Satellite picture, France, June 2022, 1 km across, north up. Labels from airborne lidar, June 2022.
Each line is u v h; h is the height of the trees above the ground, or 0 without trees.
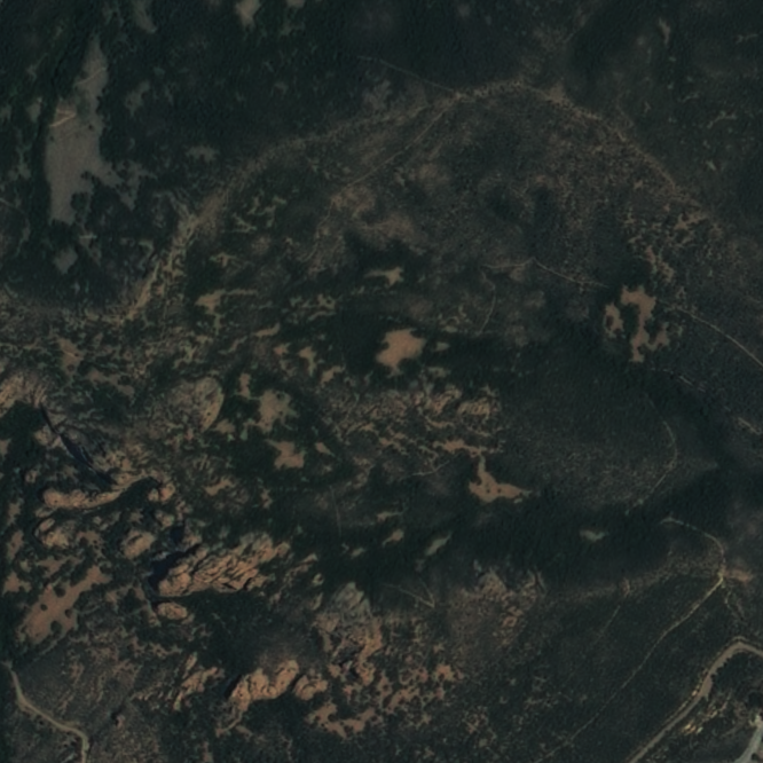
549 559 9
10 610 6
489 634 0
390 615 0
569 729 5
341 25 8
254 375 6
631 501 7
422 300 0
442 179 0
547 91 0
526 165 8
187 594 7
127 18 10
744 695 7
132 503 8
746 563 0
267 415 0
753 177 7
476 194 10
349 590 0
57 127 0
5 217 0
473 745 8
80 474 6
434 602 0
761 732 0
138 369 0
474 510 6
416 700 7
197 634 7
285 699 9
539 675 6
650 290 6
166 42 8
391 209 0
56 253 8
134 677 0
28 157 6
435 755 6
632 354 9
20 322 0
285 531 9
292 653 0
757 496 8
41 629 0
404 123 0
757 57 7
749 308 6
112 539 7
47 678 0
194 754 7
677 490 6
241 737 6
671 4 7
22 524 5
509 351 5
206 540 7
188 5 8
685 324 8
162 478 0
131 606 5
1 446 0
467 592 0
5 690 7
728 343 9
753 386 6
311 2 6
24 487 8
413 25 7
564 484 8
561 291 8
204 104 9
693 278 7
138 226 0
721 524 6
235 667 9
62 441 0
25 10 8
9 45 10
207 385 0
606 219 6
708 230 6
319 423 6
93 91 0
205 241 0
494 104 0
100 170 0
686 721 5
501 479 7
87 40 8
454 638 0
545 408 6
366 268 7
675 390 6
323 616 0
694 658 6
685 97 6
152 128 0
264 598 7
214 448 7
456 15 8
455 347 8
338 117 0
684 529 7
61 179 0
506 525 8
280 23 6
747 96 6
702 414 12
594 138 0
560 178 0
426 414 9
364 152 0
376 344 6
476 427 8
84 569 6
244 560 9
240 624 7
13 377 0
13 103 7
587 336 8
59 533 0
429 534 7
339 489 0
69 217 0
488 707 6
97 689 0
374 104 0
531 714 9
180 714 10
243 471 5
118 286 0
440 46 6
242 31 8
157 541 6
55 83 10
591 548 8
